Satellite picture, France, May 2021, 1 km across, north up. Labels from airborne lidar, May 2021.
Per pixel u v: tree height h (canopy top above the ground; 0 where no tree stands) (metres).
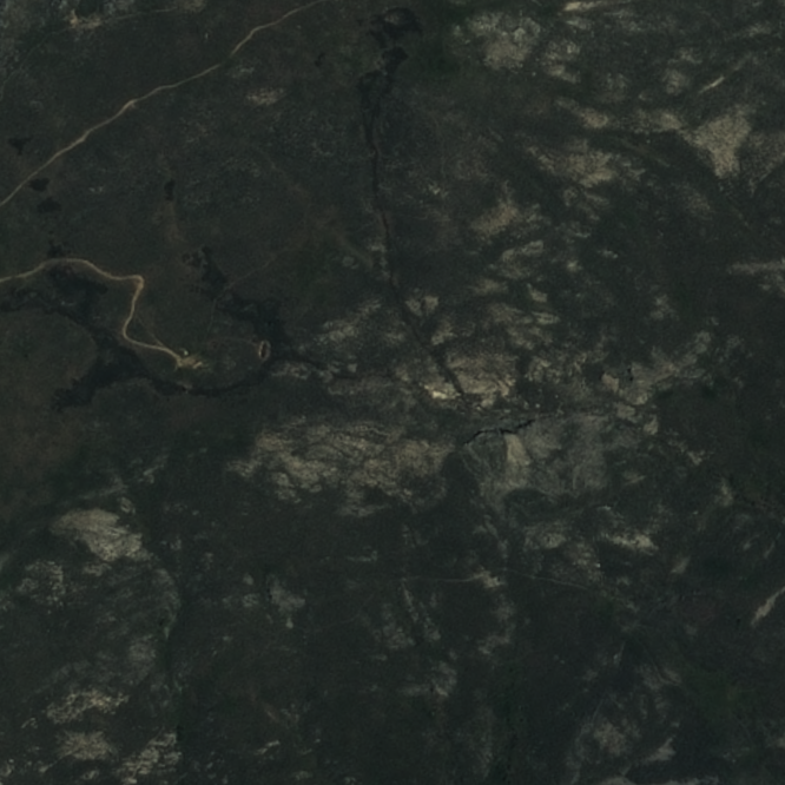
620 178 0
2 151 0
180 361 0
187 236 0
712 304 0
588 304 0
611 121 0
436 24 0
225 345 0
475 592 0
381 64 0
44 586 0
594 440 0
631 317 0
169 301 0
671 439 0
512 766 7
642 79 0
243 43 0
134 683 0
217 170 0
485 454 0
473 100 0
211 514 0
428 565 0
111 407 0
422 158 0
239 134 0
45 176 0
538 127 0
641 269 0
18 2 0
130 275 0
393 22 0
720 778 0
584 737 0
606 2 0
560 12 0
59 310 0
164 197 0
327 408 0
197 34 0
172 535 0
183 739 6
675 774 0
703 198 0
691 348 0
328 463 0
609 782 0
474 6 0
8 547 0
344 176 0
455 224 0
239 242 0
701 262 0
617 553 0
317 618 0
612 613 0
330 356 0
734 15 0
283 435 0
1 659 0
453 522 0
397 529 0
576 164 0
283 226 0
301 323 0
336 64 0
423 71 0
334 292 0
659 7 0
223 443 0
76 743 0
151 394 0
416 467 0
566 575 0
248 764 0
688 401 0
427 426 0
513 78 0
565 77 0
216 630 0
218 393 0
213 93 0
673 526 0
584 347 0
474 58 0
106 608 0
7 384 0
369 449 0
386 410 0
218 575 0
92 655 0
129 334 0
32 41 0
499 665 0
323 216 0
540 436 0
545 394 0
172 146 0
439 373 0
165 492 0
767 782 0
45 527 0
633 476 0
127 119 0
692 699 0
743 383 0
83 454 0
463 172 0
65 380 0
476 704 0
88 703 0
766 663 0
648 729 0
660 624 0
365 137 0
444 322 0
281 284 0
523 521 0
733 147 0
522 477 0
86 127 0
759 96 0
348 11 0
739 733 0
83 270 0
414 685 0
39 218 0
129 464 0
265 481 0
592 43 0
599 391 0
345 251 0
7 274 0
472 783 0
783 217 0
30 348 0
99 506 0
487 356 0
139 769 0
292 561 0
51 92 0
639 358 0
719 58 0
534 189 0
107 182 0
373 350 0
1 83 0
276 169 0
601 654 0
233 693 0
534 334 0
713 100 0
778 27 0
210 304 0
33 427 0
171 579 0
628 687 0
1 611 0
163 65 0
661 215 0
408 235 0
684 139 0
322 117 0
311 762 0
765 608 0
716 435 0
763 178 0
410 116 0
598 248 0
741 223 0
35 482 0
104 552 0
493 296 0
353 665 0
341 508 0
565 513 0
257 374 0
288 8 0
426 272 0
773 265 0
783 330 0
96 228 0
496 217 0
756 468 0
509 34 0
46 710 0
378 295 0
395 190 0
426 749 0
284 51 0
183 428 0
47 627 0
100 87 0
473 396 0
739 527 0
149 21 0
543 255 0
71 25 0
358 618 0
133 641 0
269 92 0
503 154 0
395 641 0
